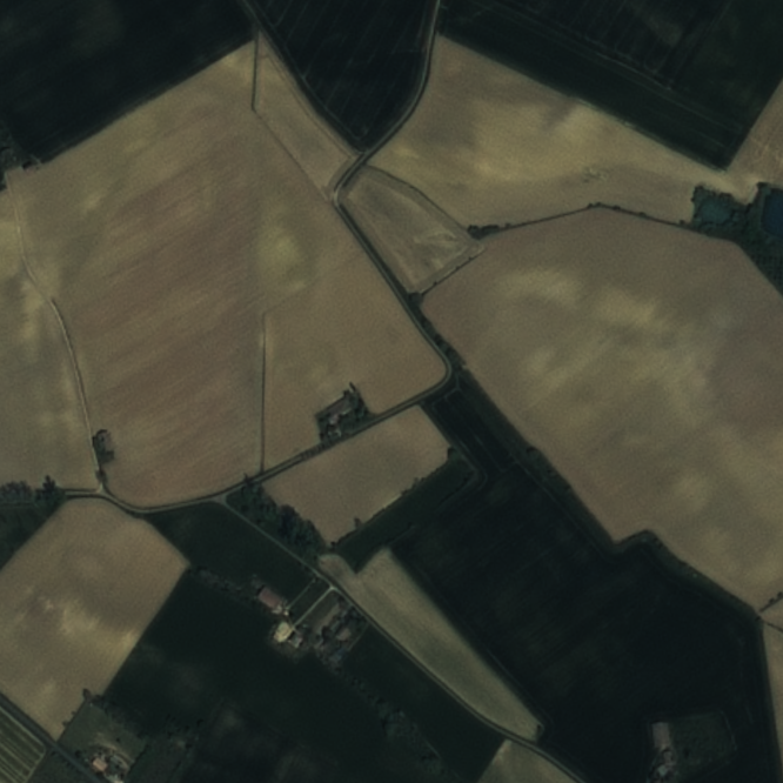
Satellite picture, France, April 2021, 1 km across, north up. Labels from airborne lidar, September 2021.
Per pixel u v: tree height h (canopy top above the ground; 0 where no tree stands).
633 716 0
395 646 0
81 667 0
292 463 0
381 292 0
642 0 0
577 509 0
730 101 0
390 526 0
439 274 0
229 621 0
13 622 0
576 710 0
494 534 0
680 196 0
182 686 0
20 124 0
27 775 0
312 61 0
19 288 0
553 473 7
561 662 0
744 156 0
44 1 0
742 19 0
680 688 0
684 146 0
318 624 0
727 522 0
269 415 0
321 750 0
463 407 0
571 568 0
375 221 0
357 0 0
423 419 0
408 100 0
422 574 0
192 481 0
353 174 0
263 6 0
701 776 0
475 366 0
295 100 0
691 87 0
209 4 0
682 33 0
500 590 0
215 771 0
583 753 0
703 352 0
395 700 0
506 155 0
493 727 0
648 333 0
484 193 0
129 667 0
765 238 6
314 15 0
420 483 9
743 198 0
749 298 0
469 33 0
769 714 0
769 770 0
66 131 0
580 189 0
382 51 0
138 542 0
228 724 0
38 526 0
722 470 0
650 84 0
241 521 0
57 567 0
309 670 0
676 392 0
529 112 0
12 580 0
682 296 0
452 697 0
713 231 7
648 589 0
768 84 0
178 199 0
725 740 0
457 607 0
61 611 0
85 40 0
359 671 0
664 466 0
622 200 0
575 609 0
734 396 0
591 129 0
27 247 0
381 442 0
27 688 0
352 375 0
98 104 0
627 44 0
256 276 0
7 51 0
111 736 0
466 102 0
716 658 0
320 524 0
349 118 0
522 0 0
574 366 0
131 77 0
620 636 0
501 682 0
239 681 0
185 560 0
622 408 0
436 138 0
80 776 9
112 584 0
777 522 0
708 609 0
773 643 0
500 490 0
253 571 0
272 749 0
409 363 0
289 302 0
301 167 0
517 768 0
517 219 0
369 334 0
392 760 0
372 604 0
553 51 0
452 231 0
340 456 0
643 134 0
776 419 0
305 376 0
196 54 0
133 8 0
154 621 0
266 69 0
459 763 0
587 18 0
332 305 0
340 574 0
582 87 0
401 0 0
